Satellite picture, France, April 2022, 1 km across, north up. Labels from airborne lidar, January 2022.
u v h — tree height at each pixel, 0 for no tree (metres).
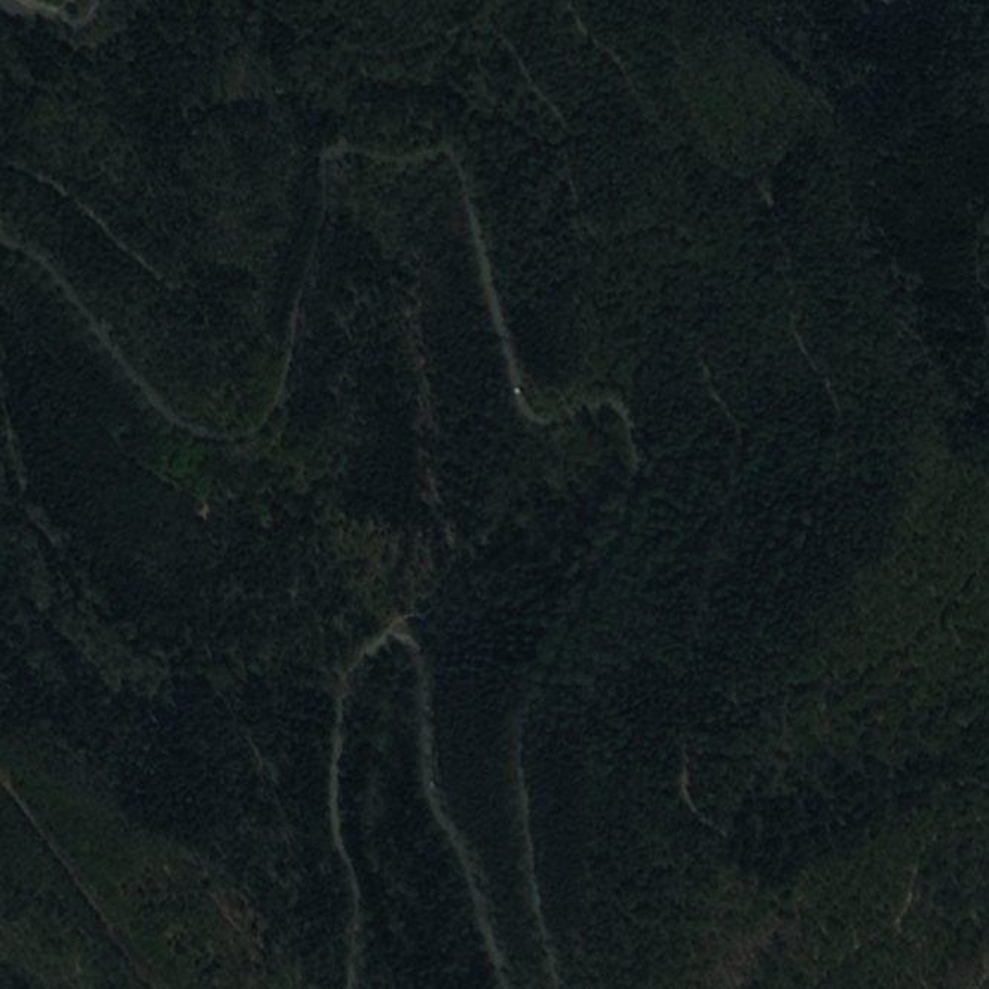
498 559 21
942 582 18
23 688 27
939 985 24
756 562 16
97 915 20
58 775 17
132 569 12
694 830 15
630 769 16
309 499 13
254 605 15
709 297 20
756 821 13
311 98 11
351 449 23
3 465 15
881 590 15
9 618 31
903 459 18
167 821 26
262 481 12
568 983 10
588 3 15
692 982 11
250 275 26
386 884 17
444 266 16
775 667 18
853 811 11
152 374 7
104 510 12
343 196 19
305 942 18
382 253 23
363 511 13
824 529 15
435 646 26
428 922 12
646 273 28
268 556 14
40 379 14
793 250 15
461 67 22
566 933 15
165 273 17
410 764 13
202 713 31
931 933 20
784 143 18
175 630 16
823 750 16
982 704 14
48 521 14
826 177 14
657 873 17
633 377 18
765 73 15
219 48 21
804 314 15
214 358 12
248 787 23
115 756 24
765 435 18
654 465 20
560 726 10
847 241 13
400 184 8
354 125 19
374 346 7
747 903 18
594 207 18
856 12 24
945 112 16
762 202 17
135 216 10
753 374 18
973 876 24
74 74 12
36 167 17
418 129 15
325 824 12
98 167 14
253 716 20
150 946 19
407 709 13
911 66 22
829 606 14
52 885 19
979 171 15
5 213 13
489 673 19
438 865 14
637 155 19
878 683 14
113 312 9
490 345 13
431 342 14
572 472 10
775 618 19
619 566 21
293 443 17
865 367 17
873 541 15
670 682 16
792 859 14
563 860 15
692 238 22
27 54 23
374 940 15
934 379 18
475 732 17
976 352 13
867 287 17
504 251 13
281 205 21
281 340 18
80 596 31
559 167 19
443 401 11
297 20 10
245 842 17
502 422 9
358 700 20
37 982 14
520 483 9
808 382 17
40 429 19
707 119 16
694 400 11
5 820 15
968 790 12
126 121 10
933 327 11
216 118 20
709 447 17
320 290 24
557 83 16
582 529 12
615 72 17
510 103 18
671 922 16
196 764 33
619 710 19
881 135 19
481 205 10
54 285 12
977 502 20
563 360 22
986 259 21
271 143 19
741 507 18
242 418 12
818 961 14
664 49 16
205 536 10
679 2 20
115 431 9
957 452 18
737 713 19
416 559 16
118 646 16
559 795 20
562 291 15
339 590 15
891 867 17
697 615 20
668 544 23
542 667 23
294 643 17
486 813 17
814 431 18
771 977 21
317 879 16
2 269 14
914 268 16
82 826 16
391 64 20
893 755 19
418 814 10
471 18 16
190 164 20
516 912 15
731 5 11
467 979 11
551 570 7
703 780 17
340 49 19
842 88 19
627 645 19
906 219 12
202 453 13
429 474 19
